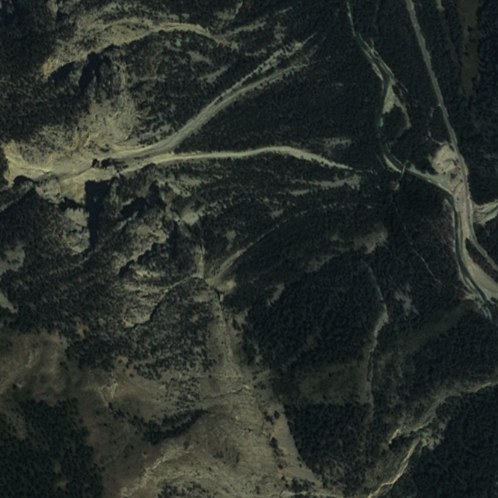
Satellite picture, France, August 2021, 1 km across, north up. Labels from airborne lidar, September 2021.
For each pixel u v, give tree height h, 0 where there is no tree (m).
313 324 15
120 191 10
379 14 12
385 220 10
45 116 12
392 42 12
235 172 6
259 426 0
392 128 7
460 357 16
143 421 9
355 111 15
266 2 13
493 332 14
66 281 8
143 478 0
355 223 7
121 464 0
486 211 0
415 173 0
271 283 6
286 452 0
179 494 10
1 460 14
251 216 10
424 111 14
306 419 13
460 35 14
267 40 10
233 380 0
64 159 0
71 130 8
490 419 21
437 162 0
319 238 7
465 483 22
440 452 22
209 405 0
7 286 9
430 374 8
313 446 17
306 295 12
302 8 15
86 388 0
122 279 10
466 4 0
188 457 0
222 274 0
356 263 9
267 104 10
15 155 0
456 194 0
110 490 0
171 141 0
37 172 0
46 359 0
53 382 0
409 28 9
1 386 0
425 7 10
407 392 8
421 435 7
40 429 14
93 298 16
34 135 9
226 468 0
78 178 0
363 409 8
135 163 0
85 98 11
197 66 6
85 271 7
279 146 0
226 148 8
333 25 15
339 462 13
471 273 0
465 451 10
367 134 11
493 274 17
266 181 6
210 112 0
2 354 0
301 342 15
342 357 21
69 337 9
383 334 11
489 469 16
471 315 8
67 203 0
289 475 0
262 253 7
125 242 10
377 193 10
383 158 6
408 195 14
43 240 11
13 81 10
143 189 0
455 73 18
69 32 8
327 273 7
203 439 0
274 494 0
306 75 8
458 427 27
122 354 11
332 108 11
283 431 0
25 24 12
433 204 16
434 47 9
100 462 0
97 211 8
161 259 11
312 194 9
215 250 8
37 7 8
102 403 0
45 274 7
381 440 15
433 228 10
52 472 8
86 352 17
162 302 7
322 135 8
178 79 11
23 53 15
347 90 6
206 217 9
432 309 14
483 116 7
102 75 7
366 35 14
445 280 14
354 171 7
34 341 0
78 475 15
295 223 8
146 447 0
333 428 22
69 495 19
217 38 0
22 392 0
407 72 13
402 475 16
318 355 13
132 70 9
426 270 13
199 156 0
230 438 0
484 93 14
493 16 12
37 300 15
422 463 20
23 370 0
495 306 9
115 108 7
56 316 6
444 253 9
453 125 11
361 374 0
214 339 0
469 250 15
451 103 9
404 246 14
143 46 10
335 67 8
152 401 0
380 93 13
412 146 15
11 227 14
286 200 8
